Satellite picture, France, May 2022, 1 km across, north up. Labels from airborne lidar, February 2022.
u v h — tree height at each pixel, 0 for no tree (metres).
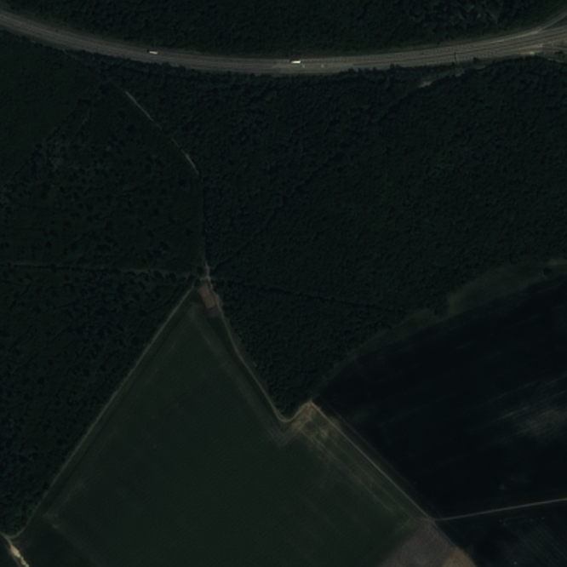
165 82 25
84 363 6
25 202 6
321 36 24
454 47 0
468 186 20
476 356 0
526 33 0
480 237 24
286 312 21
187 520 0
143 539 0
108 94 25
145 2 26
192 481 0
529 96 27
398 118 24
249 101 30
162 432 0
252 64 0
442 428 0
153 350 0
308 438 0
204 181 26
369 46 14
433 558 0
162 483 0
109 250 24
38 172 25
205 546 0
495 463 0
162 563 0
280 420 0
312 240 25
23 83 7
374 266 24
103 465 0
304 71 0
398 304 22
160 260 24
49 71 11
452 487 0
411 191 23
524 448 0
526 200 21
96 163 17
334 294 24
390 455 0
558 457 0
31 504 23
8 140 9
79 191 20
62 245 7
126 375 12
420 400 0
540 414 0
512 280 0
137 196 9
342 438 0
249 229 24
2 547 0
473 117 23
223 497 0
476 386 0
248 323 19
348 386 0
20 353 22
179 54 0
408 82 14
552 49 0
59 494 0
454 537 0
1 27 0
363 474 0
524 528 0
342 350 21
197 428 0
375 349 0
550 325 0
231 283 18
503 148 18
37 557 0
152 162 24
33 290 8
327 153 25
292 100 28
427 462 0
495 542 0
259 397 0
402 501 0
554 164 17
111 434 0
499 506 0
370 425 0
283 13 26
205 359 0
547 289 0
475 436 0
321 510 0
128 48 0
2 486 29
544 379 0
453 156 23
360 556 0
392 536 0
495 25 24
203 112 30
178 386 0
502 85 21
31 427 6
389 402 0
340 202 26
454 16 28
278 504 0
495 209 18
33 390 23
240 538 0
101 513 0
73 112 9
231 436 0
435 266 26
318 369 20
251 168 24
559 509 0
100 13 24
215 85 23
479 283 0
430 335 0
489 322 0
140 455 0
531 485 0
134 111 7
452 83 20
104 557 0
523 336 0
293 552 0
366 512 0
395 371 0
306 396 15
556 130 18
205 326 0
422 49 0
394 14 25
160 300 6
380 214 24
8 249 22
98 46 0
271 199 23
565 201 17
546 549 0
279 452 0
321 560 0
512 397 0
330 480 0
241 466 0
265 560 0
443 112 26
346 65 0
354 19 26
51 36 0
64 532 0
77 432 10
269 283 22
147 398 0
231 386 0
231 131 31
